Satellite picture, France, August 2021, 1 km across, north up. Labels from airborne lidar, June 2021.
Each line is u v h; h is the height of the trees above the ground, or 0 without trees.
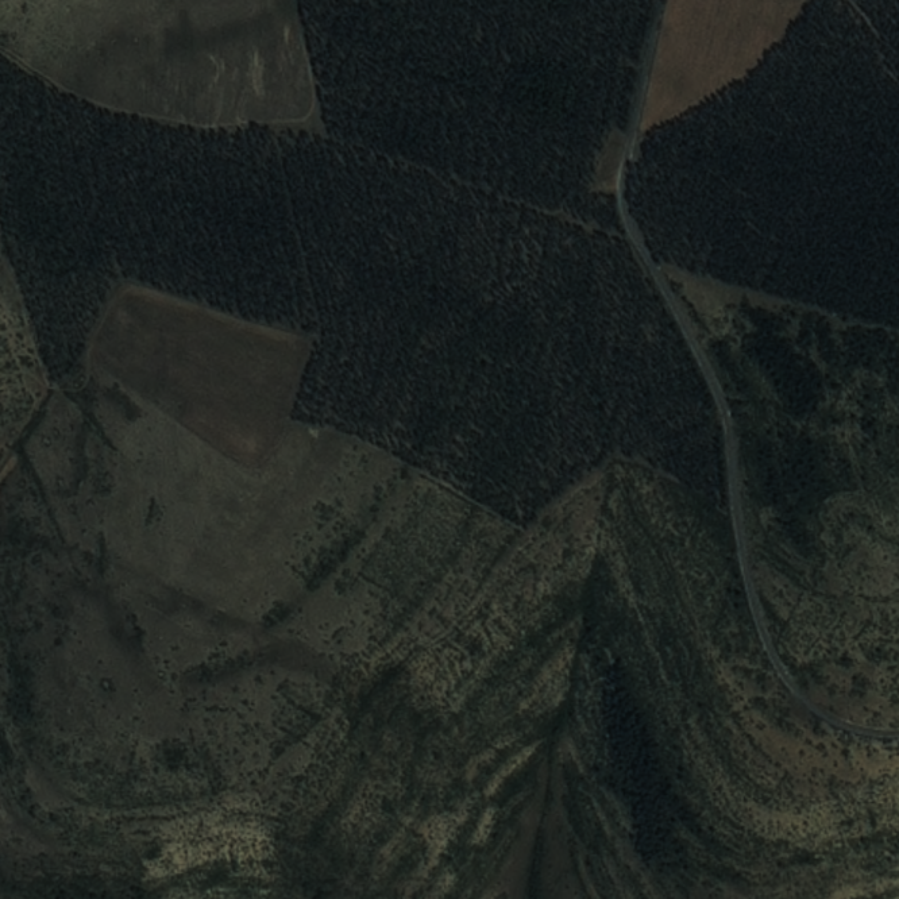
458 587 0
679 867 6
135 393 0
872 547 0
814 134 15
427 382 12
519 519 12
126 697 0
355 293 14
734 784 0
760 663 0
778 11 0
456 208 15
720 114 16
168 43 0
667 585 0
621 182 0
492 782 0
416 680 0
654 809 12
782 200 15
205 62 0
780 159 19
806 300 12
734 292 0
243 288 16
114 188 14
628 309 12
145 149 15
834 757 0
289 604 0
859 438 0
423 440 12
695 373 12
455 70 16
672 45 0
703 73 0
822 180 15
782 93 14
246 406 0
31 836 0
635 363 16
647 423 16
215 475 0
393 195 15
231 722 0
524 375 11
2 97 13
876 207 17
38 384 0
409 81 16
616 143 0
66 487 0
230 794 0
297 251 13
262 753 0
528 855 0
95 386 0
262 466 0
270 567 0
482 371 11
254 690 0
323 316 12
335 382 14
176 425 0
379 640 0
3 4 0
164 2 0
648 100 0
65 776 0
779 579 0
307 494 0
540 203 14
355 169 14
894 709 0
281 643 0
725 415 0
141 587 0
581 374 16
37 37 0
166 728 0
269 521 0
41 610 0
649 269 0
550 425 11
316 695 0
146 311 0
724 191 14
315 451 0
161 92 0
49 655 0
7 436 0
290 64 0
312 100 0
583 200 16
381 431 13
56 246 11
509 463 14
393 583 0
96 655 0
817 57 15
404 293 14
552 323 16
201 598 0
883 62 15
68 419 0
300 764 0
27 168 11
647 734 8
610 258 13
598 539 0
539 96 19
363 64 14
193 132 13
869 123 15
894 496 0
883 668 0
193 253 14
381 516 0
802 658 0
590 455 15
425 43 14
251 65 0
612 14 14
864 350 9
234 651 0
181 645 0
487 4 14
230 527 0
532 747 0
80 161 16
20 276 9
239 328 0
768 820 0
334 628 0
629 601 0
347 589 0
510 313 16
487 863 0
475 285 12
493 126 16
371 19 16
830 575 0
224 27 0
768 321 6
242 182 14
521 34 15
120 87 0
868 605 0
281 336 0
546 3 20
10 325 0
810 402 7
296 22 0
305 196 17
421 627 0
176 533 0
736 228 17
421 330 11
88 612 0
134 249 14
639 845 9
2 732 0
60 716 0
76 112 14
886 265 13
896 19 14
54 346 10
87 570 0
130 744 0
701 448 14
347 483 0
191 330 0
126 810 0
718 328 0
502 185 11
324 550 0
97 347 0
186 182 14
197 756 0
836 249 14
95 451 0
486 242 13
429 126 17
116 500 0
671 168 13
